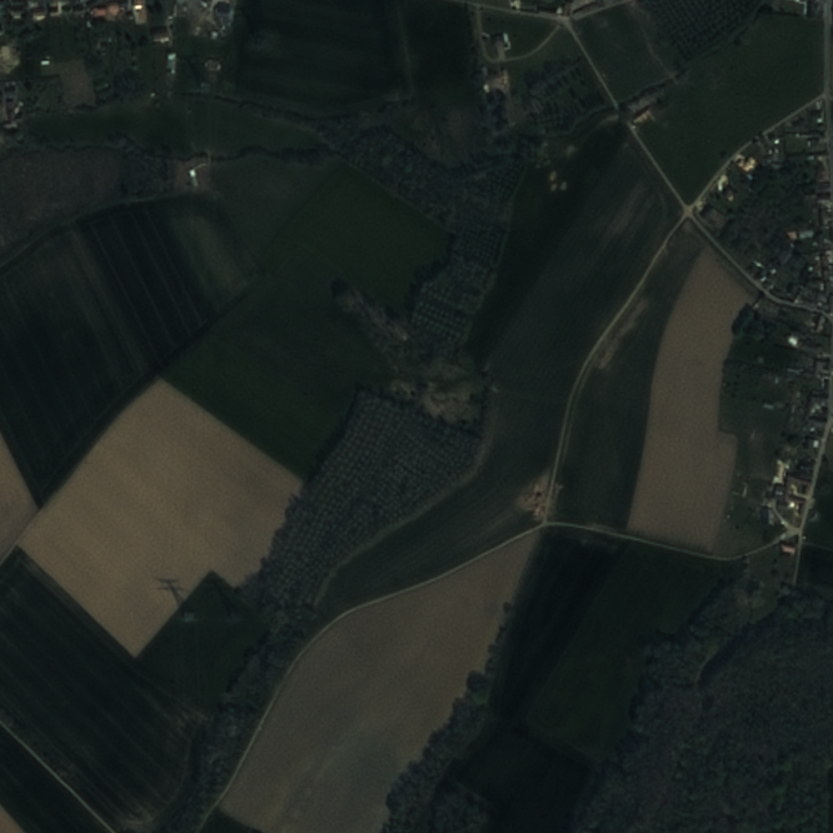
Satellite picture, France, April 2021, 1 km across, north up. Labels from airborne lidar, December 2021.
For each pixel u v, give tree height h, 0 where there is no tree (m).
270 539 0
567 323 0
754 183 7
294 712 0
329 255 0
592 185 0
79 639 0
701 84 0
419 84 0
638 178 0
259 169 0
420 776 23
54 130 0
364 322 22
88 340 0
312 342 0
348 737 0
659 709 18
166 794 0
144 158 18
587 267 0
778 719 14
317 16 0
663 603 0
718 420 0
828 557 0
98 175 0
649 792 23
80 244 0
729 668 15
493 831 0
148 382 0
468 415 0
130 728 0
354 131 9
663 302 0
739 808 24
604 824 17
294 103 0
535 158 15
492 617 0
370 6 0
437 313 30
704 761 9
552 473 0
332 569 28
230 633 0
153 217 0
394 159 22
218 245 0
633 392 0
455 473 24
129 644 0
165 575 0
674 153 0
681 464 0
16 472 0
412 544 0
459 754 22
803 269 7
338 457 26
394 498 24
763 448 0
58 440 0
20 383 0
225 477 0
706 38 21
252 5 0
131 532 0
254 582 13
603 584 0
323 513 21
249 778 0
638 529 0
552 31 0
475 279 26
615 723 0
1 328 0
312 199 0
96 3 10
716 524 0
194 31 0
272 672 36
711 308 0
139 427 0
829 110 0
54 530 0
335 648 0
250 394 0
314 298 0
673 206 0
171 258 0
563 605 0
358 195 0
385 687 0
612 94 0
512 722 0
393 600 0
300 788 0
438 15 0
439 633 0
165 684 0
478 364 0
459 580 0
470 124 0
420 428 20
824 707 12
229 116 0
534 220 0
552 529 0
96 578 0
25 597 0
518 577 0
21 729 10
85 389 0
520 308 0
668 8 20
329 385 0
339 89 0
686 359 0
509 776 0
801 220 10
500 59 0
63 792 0
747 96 0
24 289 0
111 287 0
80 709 0
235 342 0
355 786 0
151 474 0
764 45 0
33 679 0
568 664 0
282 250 0
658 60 0
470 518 0
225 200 0
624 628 0
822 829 16
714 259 0
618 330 0
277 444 0
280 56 0
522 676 0
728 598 9
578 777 0
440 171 17
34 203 0
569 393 0
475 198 26
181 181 0
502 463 0
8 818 0
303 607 14
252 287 0
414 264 0
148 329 0
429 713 0
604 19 0
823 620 14
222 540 0
